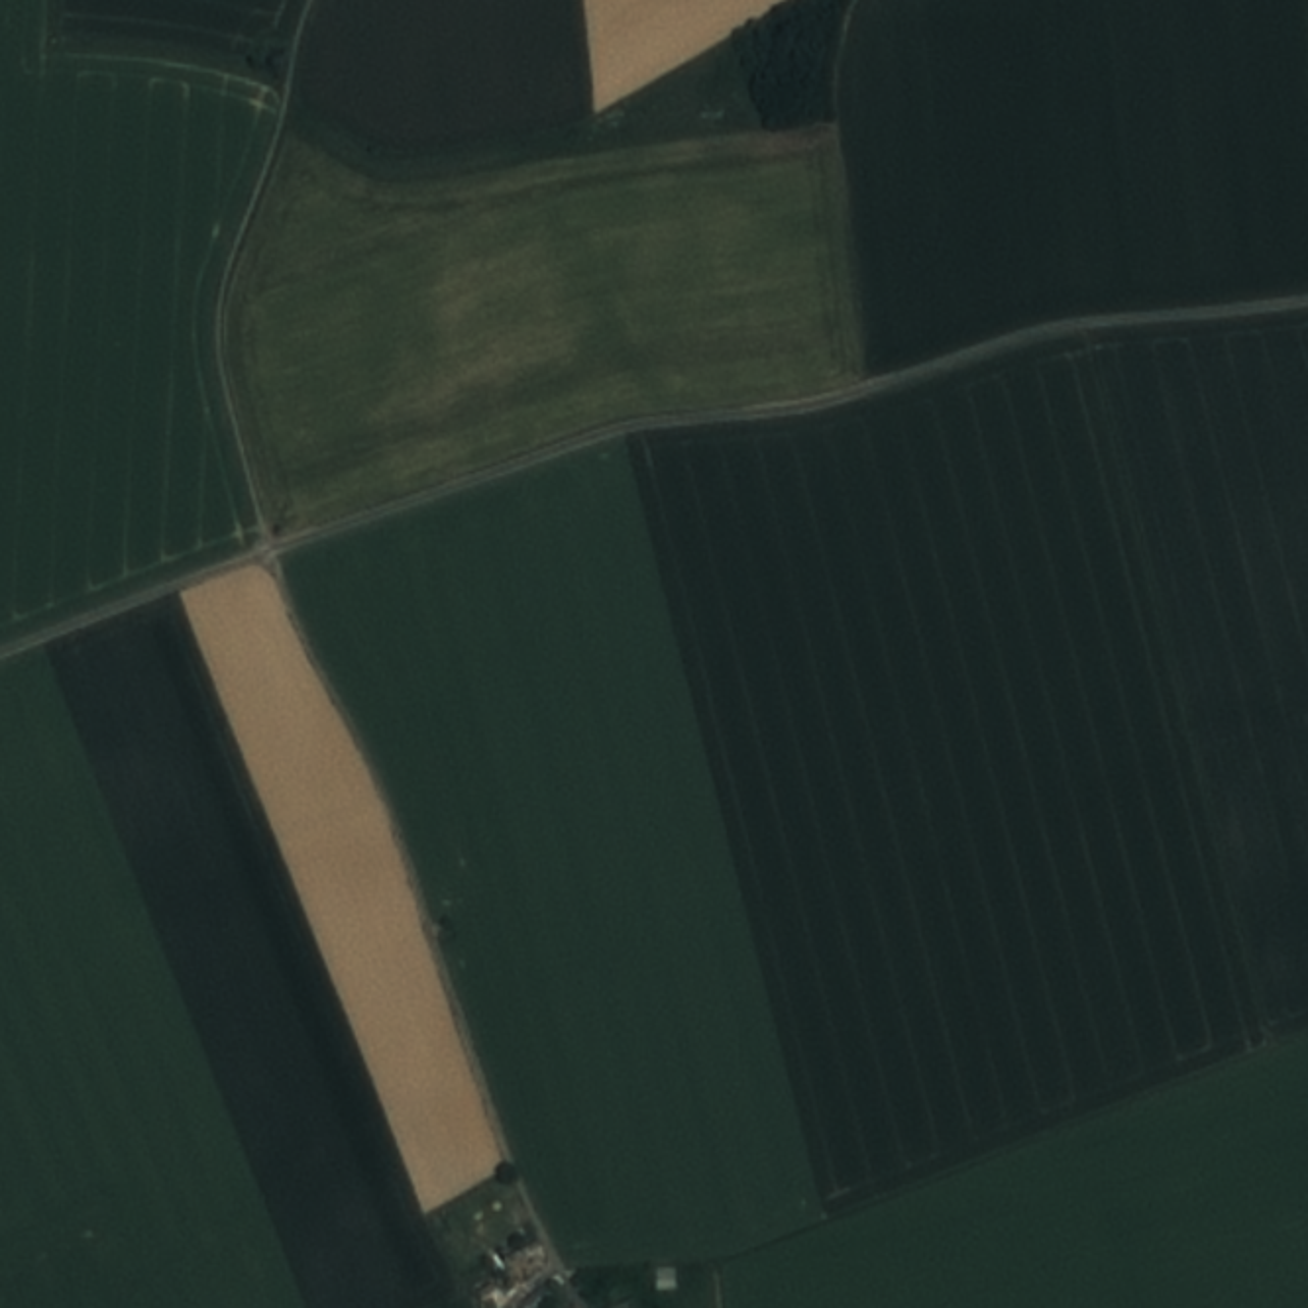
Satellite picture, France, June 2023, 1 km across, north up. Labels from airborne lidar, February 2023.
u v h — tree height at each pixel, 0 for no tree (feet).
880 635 0
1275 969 0
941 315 0
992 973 0
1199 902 0
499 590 0
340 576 0
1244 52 0
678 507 0
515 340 0
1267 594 0
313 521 0
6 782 0
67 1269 0
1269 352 0
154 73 0
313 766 0
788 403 0
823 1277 0
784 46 63
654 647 0
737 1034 0
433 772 0
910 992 0
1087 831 0
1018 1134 0
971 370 0
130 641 0
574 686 0
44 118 0
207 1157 0
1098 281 0
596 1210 0
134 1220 0
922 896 0
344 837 0
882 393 0
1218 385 0
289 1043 0
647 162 0
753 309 0
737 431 0
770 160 0
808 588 0
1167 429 0
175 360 0
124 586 0
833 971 0
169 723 0
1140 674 0
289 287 0
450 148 0
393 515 0
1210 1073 0
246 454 0
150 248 0
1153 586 0
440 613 0
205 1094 0
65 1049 0
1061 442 0
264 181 0
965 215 0
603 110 0
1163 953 0
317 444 0
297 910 0
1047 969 0
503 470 0
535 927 0
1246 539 0
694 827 0
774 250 0
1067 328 0
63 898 0
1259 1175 0
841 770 0
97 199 0
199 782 0
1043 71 0
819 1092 0
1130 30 0
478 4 0
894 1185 0
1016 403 0
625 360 0
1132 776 0
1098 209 0
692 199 0
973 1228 0
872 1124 0
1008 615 0
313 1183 0
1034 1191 0
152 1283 0
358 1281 0
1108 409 0
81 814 0
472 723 0
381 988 0
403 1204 0
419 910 0
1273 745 0
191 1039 0
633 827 0
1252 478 0
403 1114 0
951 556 0
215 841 0
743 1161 0
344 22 0
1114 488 0
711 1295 0
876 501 0
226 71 0
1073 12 0
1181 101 0
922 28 0
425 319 0
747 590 0
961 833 0
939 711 0
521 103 0
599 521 0
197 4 0
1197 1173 0
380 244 0
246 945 0
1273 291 0
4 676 0
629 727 0
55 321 0
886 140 0
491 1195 0
